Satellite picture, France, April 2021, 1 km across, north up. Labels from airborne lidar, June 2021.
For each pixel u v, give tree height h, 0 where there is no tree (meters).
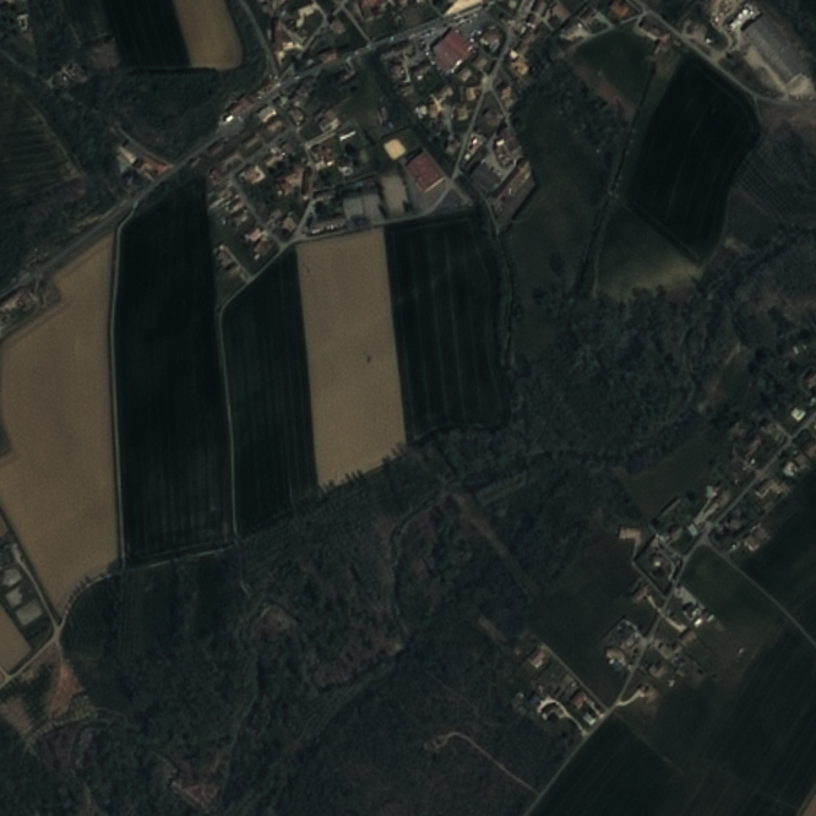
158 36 0
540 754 9
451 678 19
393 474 18
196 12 0
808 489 0
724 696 0
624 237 0
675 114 0
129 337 0
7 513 0
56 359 0
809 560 0
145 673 24
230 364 0
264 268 0
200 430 0
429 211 0
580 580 0
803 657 0
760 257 19
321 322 0
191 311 0
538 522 22
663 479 0
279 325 0
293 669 17
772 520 0
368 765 19
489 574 14
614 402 33
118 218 0
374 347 0
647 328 14
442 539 20
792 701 0
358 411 0
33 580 0
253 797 28
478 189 21
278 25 0
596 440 11
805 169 25
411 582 15
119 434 0
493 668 15
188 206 0
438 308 0
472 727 6
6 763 13
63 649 0
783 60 0
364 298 0
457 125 0
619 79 0
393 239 0
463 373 0
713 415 13
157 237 0
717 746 0
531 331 0
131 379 0
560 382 12
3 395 0
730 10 0
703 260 0
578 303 16
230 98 10
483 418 0
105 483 0
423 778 8
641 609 0
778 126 0
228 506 0
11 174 0
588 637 0
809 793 0
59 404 0
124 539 0
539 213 0
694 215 0
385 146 0
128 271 0
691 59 0
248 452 0
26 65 14
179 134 8
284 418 0
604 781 0
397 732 21
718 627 0
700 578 0
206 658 27
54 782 8
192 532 0
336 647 24
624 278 0
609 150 8
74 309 0
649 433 23
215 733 35
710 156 0
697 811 0
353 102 0
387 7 7
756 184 20
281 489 0
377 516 24
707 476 0
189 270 0
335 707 29
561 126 0
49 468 0
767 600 0
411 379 0
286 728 25
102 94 18
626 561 0
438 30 0
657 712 0
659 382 28
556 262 0
